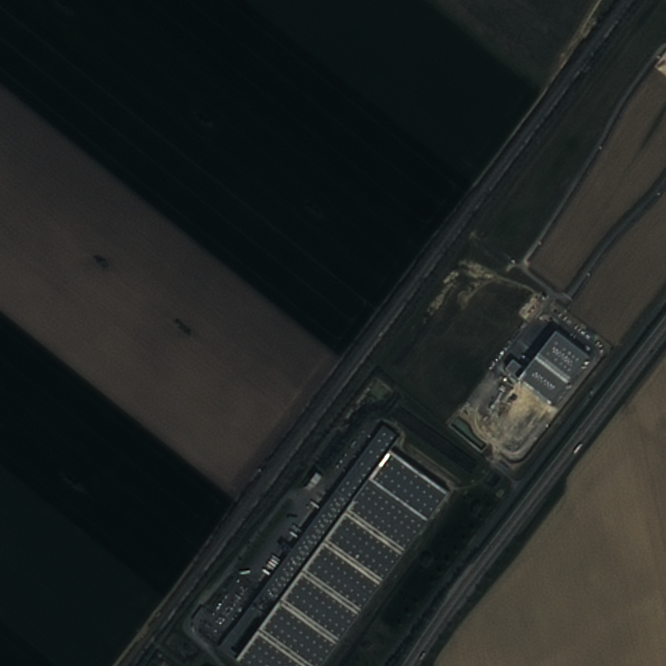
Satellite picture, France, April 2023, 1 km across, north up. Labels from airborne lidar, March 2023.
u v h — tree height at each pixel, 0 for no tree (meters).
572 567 0
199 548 0
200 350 0
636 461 0
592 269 0
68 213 0
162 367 0
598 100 0
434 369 0
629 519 0
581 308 0
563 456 0
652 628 0
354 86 0
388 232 0
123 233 0
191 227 0
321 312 0
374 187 0
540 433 0
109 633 0
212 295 0
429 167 0
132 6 0
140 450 0
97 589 0
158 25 0
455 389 0
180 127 0
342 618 0
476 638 0
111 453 0
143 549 0
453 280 0
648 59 0
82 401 0
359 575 0
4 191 0
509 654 0
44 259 0
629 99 0
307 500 0
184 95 0
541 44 0
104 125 0
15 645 0
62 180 0
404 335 0
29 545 0
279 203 0
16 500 0
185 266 0
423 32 0
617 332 0
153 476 0
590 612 0
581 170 0
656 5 0
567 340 0
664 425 0
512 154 0
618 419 0
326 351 0
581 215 0
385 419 0
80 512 0
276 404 0
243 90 0
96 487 0
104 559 0
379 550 0
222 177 0
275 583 0
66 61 0
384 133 0
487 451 0
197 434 0
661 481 0
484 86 0
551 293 0
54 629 0
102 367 0
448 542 0
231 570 0
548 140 0
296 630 0
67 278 0
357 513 0
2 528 0
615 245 0
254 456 0
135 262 0
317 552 0
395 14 0
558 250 0
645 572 0
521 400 0
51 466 0
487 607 0
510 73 0
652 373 0
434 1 0
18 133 0
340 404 10
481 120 0
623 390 0
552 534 0
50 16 0
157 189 0
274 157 0
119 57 0
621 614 0
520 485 0
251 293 0
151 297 0
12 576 0
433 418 0
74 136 0
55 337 0
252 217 0
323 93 0
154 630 0
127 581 0
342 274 0
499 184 7
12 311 0
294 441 0
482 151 0
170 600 0
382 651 0
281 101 0
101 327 0
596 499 0
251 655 0
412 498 0
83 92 0
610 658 0
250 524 10
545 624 0
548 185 0
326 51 0
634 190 0
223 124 0
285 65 0
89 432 0
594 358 0
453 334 0
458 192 0
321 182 0
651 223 0
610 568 0
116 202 0
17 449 0
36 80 0
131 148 0
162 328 0
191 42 0
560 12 0
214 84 0
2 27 0
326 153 0
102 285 0
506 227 0
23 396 0
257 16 0
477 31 0
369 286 0
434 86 0
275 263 0
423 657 0
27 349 0
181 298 0
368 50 0
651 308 0
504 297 0
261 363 0
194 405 0
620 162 0
